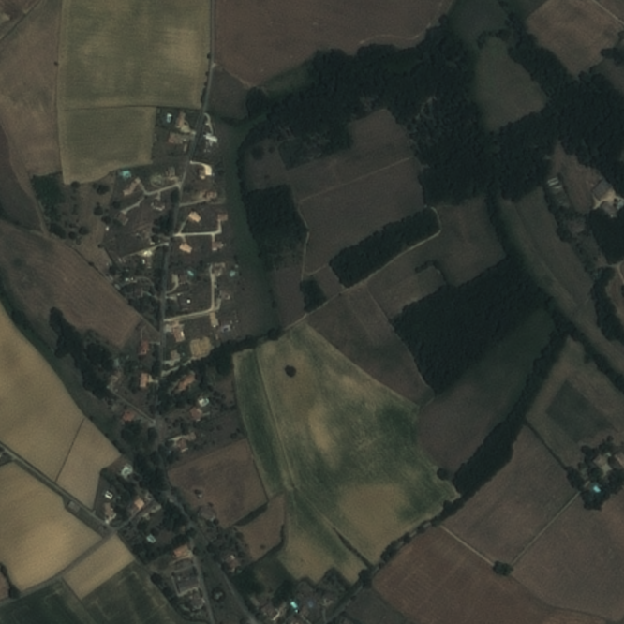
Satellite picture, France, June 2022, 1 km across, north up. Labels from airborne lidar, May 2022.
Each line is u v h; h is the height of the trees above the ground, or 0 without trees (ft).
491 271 50
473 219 0
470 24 0
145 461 48
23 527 0
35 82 0
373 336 0
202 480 0
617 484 65
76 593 0
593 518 0
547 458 0
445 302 50
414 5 0
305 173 0
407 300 0
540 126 55
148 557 35
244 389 0
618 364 0
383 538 0
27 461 0
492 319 68
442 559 0
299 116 82
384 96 70
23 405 0
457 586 0
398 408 0
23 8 0
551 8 0
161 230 30
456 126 84
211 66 0
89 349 28
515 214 0
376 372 0
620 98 76
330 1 0
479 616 0
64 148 0
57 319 39
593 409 0
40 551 0
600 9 0
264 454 0
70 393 0
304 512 0
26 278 0
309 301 31
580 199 0
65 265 0
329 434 0
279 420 0
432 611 0
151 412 24
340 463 0
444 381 60
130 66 0
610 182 63
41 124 0
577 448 0
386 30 0
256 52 0
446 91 65
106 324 0
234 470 0
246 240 0
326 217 0
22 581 0
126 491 23
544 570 0
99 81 0
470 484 38
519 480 0
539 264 0
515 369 0
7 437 0
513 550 0
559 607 0
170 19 0
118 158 0
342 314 0
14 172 0
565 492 0
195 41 0
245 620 20
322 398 0
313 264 0
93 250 0
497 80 0
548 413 0
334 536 0
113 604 0
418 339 45
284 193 45
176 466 0
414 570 0
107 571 0
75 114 0
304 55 0
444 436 0
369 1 0
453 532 0
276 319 0
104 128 0
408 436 0
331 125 47
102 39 0
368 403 0
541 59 45
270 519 0
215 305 0
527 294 78
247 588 19
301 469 0
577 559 0
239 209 0
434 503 0
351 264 48
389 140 0
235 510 0
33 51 0
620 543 0
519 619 0
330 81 49
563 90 61
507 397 0
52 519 0
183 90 0
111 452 0
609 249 50
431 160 24
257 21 0
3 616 0
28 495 0
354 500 0
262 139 50
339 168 0
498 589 0
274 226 30
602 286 52
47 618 0
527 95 0
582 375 0
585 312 0
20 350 0
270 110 32
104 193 22
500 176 66
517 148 62
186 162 0
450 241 0
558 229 28
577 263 0
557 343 39
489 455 52
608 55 53
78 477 0
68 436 0
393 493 0
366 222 0
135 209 0
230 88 0
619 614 0
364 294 0
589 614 0
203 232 0
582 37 0
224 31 0
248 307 0
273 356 0
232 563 0
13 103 0
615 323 57
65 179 0
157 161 0
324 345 0
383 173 0
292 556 0
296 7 0
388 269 0
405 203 0
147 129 0
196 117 0
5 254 0
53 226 31
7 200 0
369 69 81
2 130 0
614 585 0
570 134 59
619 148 72
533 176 46
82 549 0
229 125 25
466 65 84
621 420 0
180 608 19
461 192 49
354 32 0
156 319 24
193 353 0
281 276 0
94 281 0
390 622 0
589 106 73
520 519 0
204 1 0
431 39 88
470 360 51
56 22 0
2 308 0
